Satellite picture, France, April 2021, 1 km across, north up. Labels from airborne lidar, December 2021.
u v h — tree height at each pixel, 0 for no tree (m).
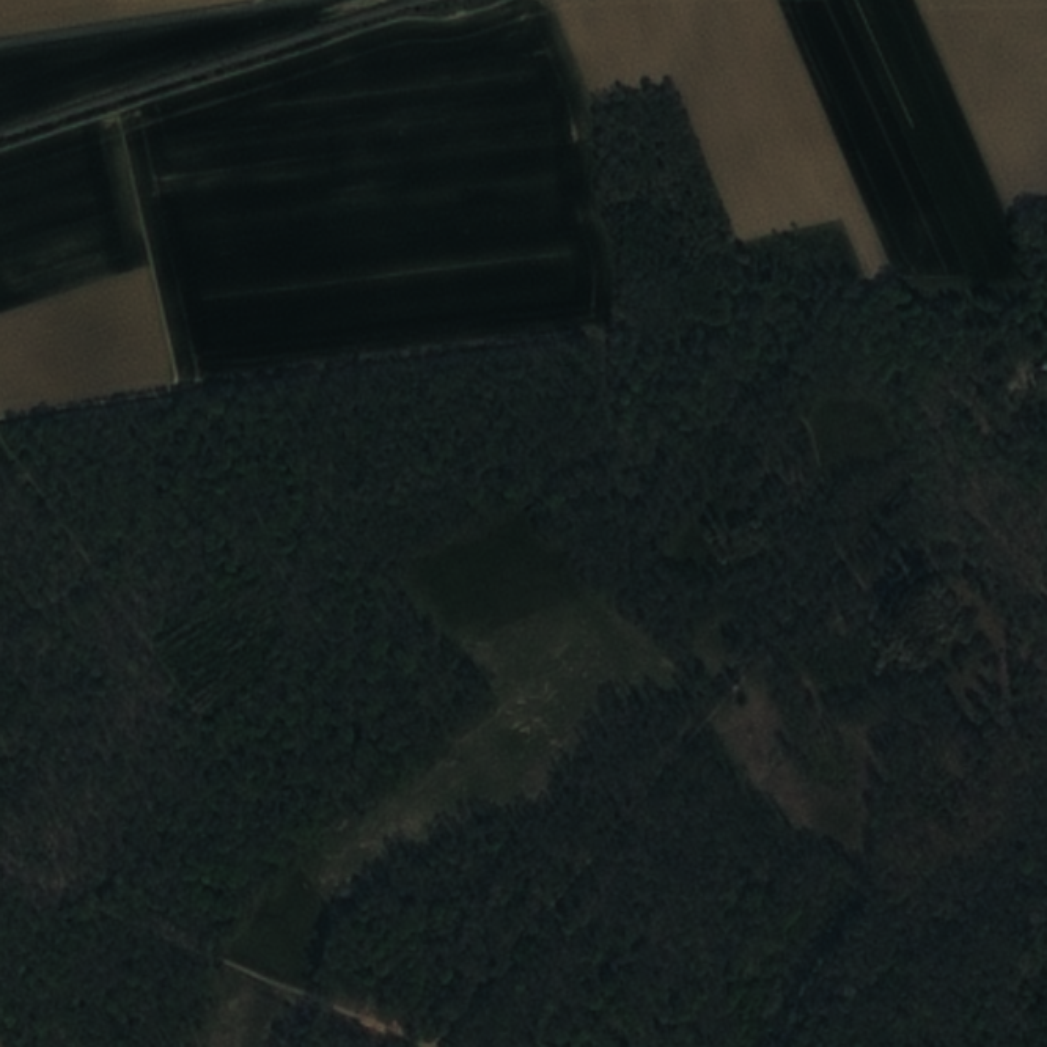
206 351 0
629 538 27
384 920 23
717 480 10
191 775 28
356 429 21
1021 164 0
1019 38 0
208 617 14
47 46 0
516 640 0
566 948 30
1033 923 26
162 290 0
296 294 0
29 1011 26
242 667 15
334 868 0
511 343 14
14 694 18
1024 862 24
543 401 26
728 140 0
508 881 25
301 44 7
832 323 23
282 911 0
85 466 24
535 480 27
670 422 25
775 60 0
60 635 21
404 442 23
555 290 0
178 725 23
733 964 25
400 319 0
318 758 30
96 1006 28
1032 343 25
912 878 27
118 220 0
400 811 0
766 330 26
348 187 0
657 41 0
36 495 10
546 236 0
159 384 0
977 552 23
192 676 15
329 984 28
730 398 27
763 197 0
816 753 17
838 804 0
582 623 0
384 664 25
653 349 20
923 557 27
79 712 21
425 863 29
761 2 0
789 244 11
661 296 20
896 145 0
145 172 0
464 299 0
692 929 29
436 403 24
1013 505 26
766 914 27
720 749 22
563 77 0
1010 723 27
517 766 0
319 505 28
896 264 0
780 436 20
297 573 29
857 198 0
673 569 26
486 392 23
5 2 0
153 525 22
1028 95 0
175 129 0
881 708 26
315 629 28
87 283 0
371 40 0
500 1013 22
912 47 0
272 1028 0
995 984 19
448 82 0
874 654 10
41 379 0
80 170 0
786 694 31
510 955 25
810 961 18
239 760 23
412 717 28
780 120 0
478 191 0
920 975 24
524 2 0
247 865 27
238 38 0
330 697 28
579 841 25
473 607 0
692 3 0
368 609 25
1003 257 0
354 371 13
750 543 17
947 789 32
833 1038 26
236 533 28
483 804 0
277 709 22
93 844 28
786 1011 13
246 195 0
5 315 0
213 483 26
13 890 27
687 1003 23
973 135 0
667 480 27
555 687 0
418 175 0
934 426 22
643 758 25
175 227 0
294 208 0
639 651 0
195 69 0
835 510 15
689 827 28
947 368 26
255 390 20
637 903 25
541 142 0
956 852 21
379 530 27
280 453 21
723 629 0
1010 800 24
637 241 12
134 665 11
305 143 0
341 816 27
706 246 10
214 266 0
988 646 13
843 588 22
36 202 0
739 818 29
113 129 0
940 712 26
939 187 0
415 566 24
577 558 27
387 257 0
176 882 23
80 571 22
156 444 25
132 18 0
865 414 0
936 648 15
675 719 23
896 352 16
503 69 0
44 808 26
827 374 26
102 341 0
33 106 0
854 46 0
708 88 0
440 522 25
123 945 22
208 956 26
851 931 24
